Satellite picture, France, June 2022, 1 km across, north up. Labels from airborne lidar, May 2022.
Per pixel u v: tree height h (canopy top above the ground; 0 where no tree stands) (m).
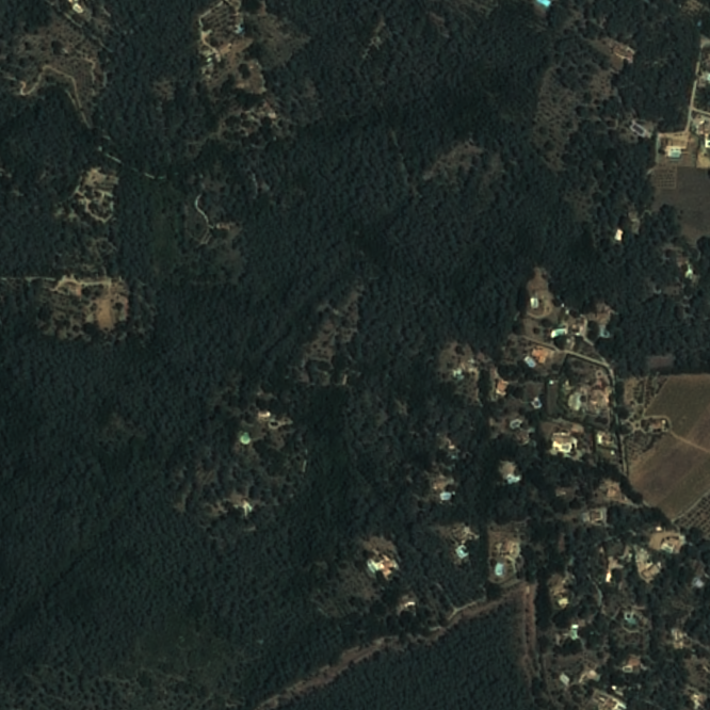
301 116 20
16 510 13
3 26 16
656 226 11
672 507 0
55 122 20
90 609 17
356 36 16
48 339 10
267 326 7
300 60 19
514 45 13
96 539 9
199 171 12
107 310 0
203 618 13
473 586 22
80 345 15
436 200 16
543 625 15
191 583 13
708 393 0
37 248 20
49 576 17
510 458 13
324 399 13
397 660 17
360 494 23
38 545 22
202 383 20
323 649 18
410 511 23
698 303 23
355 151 15
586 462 11
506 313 23
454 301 15
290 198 18
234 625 19
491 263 21
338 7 21
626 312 21
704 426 0
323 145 10
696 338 24
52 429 17
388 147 20
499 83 7
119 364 20
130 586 18
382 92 20
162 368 13
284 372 15
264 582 22
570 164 12
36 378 18
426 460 16
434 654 20
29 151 14
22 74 19
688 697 8
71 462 20
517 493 8
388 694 18
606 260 18
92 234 16
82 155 18
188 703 18
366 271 20
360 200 23
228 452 21
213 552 9
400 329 21
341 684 19
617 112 14
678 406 0
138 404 18
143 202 19
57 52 7
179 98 16
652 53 18
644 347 24
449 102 17
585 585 20
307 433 17
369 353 21
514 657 20
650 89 22
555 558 9
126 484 14
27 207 14
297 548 18
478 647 22
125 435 7
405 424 20
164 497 18
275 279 18
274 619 18
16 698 18
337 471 17
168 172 14
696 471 0
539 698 14
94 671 21
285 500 21
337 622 8
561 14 22
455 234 21
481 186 14
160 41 18
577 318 11
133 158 9
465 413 20
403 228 20
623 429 10
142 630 19
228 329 21
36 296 18
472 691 22
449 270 19
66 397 17
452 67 18
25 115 20
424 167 12
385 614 13
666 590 19
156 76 18
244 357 17
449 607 21
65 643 20
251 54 8
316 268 21
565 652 15
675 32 23
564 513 13
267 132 11
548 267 9
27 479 17
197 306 14
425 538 20
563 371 6
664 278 23
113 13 14
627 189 22
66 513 19
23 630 24
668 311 23
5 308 20
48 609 21
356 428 21
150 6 18
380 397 21
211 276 19
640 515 15
